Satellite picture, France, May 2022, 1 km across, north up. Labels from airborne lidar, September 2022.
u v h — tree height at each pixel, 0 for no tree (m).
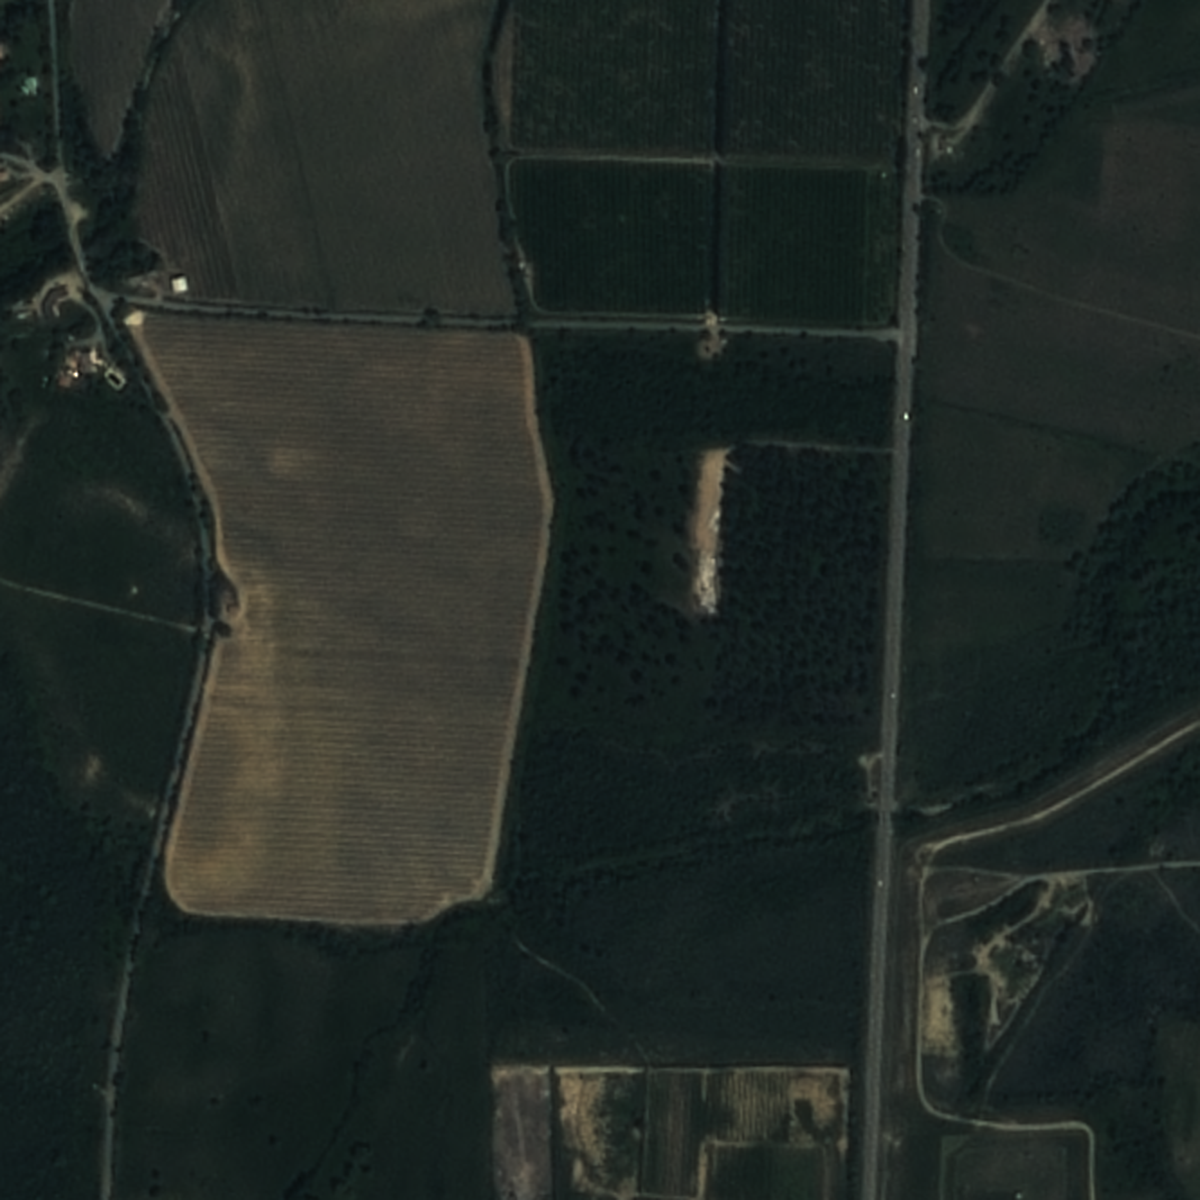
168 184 0
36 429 0
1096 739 11
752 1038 0
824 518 13
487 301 0
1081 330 0
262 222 0
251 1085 0
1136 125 0
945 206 0
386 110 0
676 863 6
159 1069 0
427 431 0
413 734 0
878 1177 0
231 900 0
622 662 14
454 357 0
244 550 0
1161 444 0
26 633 0
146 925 13
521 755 0
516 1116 0
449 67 0
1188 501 16
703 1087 0
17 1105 7
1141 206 0
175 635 0
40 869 6
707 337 8
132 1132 0
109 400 0
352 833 0
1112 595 8
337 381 0
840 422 7
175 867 0
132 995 6
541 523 0
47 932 6
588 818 8
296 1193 11
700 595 0
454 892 0
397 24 0
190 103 0
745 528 13
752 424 6
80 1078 7
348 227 0
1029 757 8
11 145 10
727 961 0
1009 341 0
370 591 0
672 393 7
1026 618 0
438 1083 0
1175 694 7
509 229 11
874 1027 0
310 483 0
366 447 0
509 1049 0
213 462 0
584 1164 0
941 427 0
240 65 0
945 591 0
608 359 6
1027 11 0
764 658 10
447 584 0
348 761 0
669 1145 0
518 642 0
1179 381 0
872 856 6
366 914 0
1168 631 9
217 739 0
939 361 0
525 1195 0
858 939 5
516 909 9
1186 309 0
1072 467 0
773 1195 0
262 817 0
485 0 0
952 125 9
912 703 0
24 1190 8
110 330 9
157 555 0
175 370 0
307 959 0
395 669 0
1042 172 0
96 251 7
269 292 0
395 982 0
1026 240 0
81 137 9
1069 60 9
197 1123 0
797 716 9
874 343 0
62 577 0
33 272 15
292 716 0
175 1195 0
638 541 11
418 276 0
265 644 0
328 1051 0
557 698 0
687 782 7
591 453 13
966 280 0
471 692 0
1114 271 0
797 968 0
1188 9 0
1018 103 0
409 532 0
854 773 5
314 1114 0
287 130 0
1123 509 10
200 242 0
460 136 0
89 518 0
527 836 11
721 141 14
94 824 7
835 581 10
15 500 0
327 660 0
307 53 0
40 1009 8
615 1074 0
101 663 0
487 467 0
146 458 0
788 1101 0
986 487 0
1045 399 0
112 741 0
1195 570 12
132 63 0
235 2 0
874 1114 0
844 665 13
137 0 0
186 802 0
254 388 0
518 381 0
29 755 11
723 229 15
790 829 11
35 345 0
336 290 0
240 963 0
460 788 0
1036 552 0
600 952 9
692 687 0
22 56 0
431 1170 0
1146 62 0
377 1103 0
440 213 0
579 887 9
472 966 0
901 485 0
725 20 12
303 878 0
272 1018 0
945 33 9
